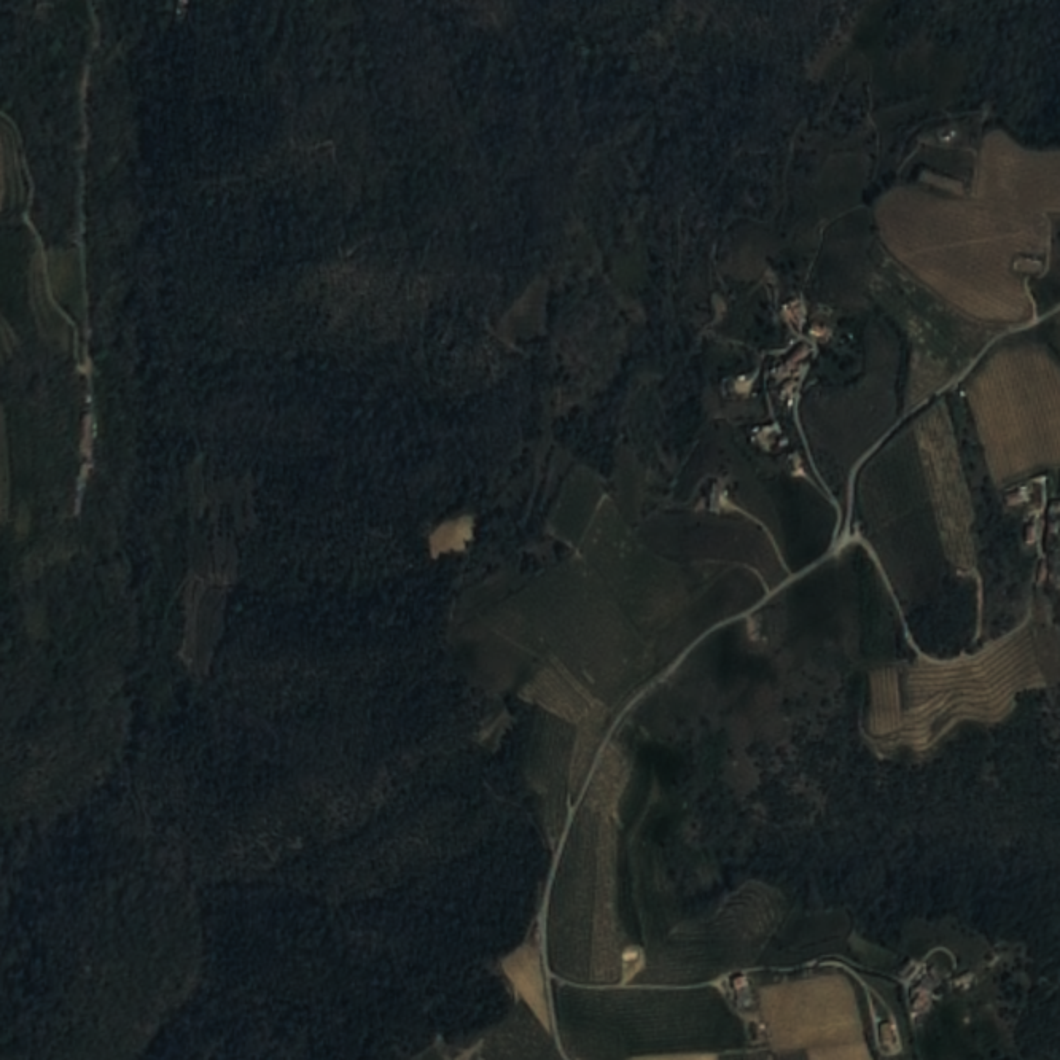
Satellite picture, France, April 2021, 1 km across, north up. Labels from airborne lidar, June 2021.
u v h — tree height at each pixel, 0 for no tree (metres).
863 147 0
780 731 0
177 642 6
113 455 11
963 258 0
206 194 11
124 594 29
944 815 16
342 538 6
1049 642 0
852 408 0
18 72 8
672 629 0
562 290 8
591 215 11
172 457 18
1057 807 10
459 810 7
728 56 13
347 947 11
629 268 0
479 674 0
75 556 5
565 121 14
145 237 31
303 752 11
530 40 20
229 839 6
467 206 12
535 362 11
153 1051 6
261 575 12
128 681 17
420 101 10
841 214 0
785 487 0
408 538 9
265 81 9
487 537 10
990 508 7
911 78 0
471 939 9
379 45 8
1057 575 9
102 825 13
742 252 0
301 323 10
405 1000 9
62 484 5
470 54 11
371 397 15
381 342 14
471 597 0
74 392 7
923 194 0
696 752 14
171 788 14
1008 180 0
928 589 0
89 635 11
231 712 14
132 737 21
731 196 6
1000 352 0
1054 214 0
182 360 17
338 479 11
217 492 0
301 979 8
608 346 12
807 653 0
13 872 9
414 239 9
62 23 9
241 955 6
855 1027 0
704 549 0
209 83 6
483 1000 11
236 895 8
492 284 11
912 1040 6
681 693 0
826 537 0
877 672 0
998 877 10
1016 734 6
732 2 13
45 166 15
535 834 8
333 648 5
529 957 0
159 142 7
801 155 8
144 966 14
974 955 0
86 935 14
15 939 19
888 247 0
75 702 12
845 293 0
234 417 6
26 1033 17
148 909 15
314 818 10
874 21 0
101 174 23
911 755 0
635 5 8
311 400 12
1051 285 0
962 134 0
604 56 9
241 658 9
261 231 7
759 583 0
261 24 13
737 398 9
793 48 8
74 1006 8
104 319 15
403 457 9
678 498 0
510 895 8
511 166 18
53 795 13
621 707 0
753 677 0
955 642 5
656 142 7
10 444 7
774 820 6
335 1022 12
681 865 8
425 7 8
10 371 12
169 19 7
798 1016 0
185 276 10
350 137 11
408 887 9
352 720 11
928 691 0
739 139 8
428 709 8
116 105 20
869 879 14
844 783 10
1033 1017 9
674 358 20
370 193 12
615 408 12
